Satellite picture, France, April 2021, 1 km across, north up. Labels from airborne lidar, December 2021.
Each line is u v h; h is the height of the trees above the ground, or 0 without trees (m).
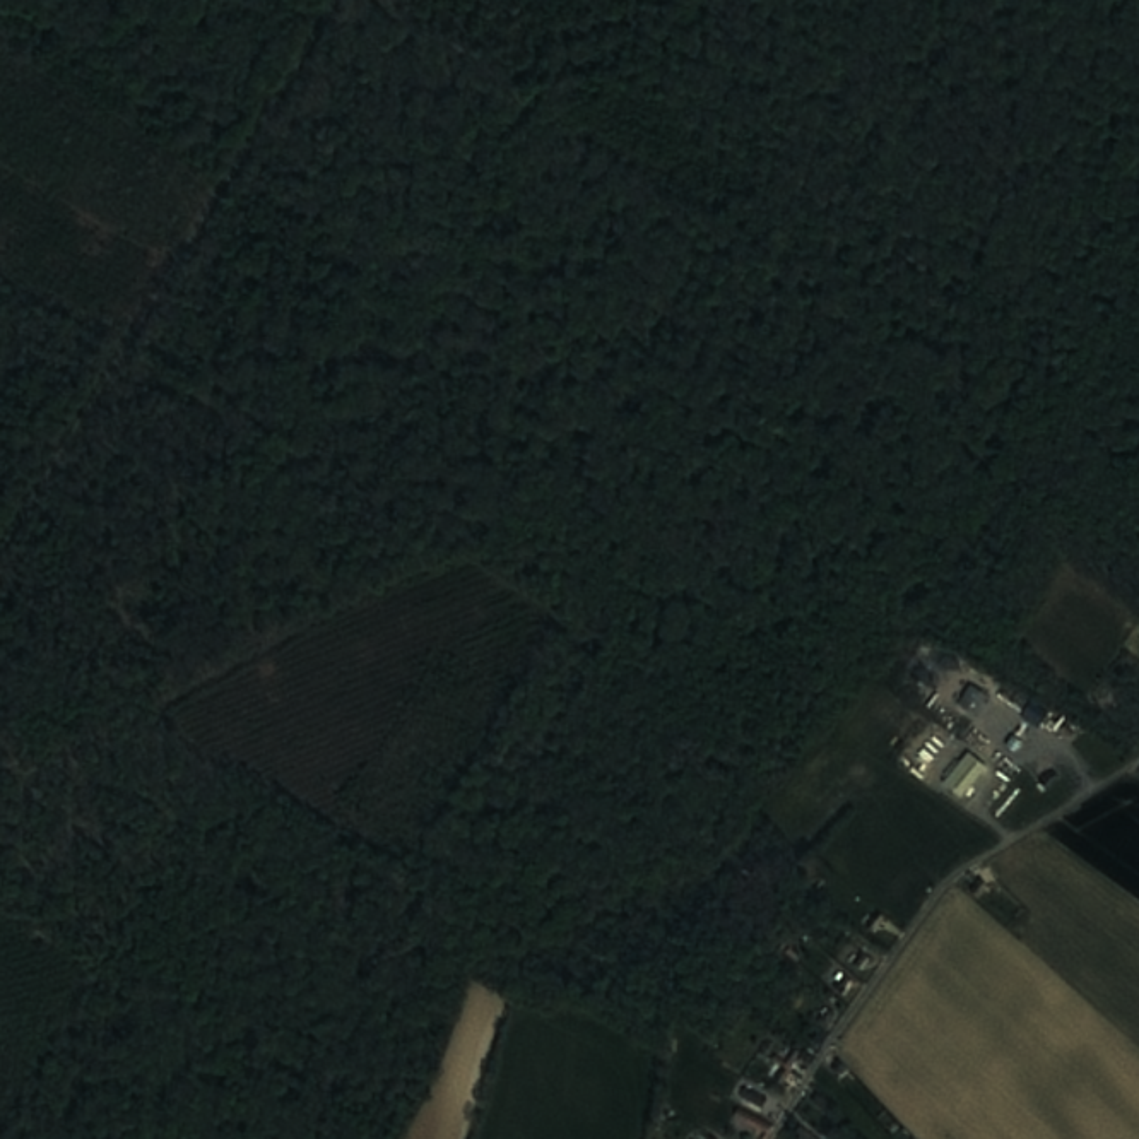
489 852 27
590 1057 0
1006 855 0
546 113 24
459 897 26
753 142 19
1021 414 21
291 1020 24
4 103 13
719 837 28
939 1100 0
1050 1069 0
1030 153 25
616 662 17
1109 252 24
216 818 22
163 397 19
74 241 6
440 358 25
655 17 15
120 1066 20
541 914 22
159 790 25
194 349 25
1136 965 0
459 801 21
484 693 7
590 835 20
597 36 21
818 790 0
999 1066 0
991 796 0
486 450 25
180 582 21
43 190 7
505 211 10
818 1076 0
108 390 19
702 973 27
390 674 0
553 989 20
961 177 26
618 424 28
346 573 24
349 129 22
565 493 25
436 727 8
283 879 23
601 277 26
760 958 25
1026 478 19
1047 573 23
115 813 23
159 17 25
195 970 23
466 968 22
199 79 23
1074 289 26
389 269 27
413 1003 23
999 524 29
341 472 22
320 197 24
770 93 22
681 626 26
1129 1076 0
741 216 17
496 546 23
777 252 26
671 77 26
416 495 26
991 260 15
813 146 22
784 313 25
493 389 26
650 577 23
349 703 0
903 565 25
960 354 24
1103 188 22
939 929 0
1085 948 0
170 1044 26
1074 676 0
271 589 10
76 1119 21
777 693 25
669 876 28
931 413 25
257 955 21
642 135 12
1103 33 26
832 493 24
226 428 24
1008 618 24
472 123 22
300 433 23
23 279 7
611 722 22
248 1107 22
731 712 17
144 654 19
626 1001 19
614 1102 0
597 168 27
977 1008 0
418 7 13
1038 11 23
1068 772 0
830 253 27
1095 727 13
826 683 21
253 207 23
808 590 24
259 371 26
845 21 24
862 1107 0
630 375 28
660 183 11
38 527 18
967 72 21
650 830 24
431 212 31
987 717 0
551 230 17
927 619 11
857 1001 0
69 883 20
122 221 13
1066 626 0
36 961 10
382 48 23
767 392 26
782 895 21
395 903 28
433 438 24
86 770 21
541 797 19
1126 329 20
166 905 23
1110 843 0
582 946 11
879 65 27
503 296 21
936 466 28
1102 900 0
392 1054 27
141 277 6
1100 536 24
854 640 25
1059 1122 0
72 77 15
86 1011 16
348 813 6
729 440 21
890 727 0
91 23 26
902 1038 0
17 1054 10
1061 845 0
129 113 24
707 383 29
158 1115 24
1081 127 26
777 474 30
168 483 26
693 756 25
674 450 25
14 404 18
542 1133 0
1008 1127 0
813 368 27
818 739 19
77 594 25
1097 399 22
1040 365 22
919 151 28
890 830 0
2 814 22
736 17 24
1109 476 23
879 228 14
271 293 7
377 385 27
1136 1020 0
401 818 8
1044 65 28
